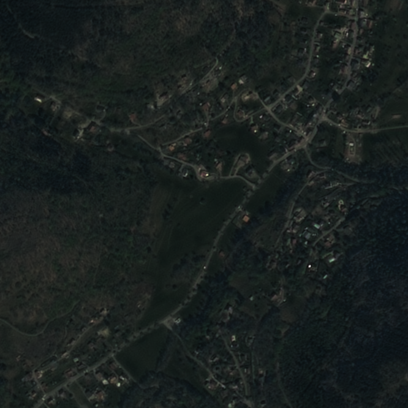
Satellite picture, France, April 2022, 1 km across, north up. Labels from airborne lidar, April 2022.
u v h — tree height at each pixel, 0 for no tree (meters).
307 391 10
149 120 12
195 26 18
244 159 0
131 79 8
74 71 21
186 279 17
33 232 10
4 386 24
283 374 13
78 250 16
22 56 17
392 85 0
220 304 23
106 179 12
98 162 9
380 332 20
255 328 15
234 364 10
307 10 0
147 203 10
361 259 20
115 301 19
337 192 0
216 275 0
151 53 17
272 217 23
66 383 0
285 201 25
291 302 0
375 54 0
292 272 10
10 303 0
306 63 0
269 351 19
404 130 0
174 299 0
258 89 11
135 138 15
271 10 7
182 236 0
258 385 18
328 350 9
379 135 0
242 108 10
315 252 14
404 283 19
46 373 0
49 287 11
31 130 18
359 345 23
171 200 0
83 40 18
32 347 0
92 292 16
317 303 19
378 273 16
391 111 0
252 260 20
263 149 0
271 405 21
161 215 0
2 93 0
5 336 0
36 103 0
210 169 15
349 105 0
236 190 0
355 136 0
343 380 18
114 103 20
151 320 0
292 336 17
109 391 7
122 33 21
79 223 23
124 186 21
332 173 14
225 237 0
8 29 32
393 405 19
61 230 19
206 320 21
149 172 24
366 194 10
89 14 18
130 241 18
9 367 6
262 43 25
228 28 26
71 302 13
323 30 0
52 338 0
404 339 19
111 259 8
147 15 16
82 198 26
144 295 0
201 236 0
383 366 20
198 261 20
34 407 9
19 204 14
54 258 19
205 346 19
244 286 0
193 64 11
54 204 14
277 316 23
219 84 8
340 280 13
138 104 16
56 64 19
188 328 26
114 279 6
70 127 10
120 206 9
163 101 0
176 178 0
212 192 0
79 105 16
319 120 0
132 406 20
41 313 17
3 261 12
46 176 11
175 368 0
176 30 11
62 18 18
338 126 0
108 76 20
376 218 22
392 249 15
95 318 10
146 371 0
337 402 15
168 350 22
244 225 7
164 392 14
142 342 0
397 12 0
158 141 0
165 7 16
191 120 21
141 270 0
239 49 27
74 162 16
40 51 28
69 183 14
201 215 0
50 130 9
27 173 13
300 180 20
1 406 21
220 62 23
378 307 20
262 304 0
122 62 16
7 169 13
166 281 0
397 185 10
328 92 0
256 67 22
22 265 16
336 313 14
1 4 28
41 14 13
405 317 20
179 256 0
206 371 0
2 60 13
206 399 23
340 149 0
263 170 0
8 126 31
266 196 0
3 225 15
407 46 0
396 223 13
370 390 15
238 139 0
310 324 14
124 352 0
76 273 20
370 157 0
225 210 0
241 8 0
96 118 10
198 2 16
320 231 9
